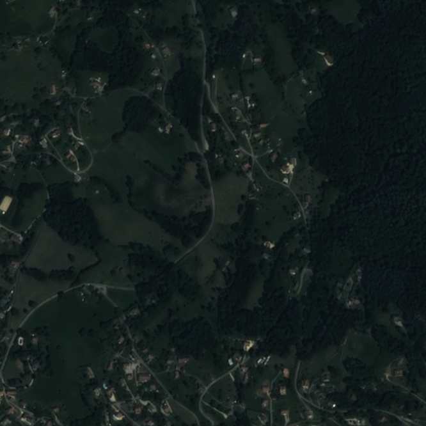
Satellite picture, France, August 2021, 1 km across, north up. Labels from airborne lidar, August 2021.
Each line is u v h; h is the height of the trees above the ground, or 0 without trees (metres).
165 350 9
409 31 20
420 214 36
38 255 0
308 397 13
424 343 12
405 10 19
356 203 22
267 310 11
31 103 0
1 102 18
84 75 0
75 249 20
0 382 0
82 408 0
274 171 0
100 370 0
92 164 0
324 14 19
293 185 0
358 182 34
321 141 30
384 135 30
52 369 7
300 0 0
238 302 18
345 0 0
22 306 0
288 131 0
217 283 0
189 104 27
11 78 0
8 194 8
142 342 7
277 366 9
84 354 0
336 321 30
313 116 22
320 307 17
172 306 0
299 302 26
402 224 29
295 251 8
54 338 0
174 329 20
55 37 0
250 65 0
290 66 0
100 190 0
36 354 16
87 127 0
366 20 25
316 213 10
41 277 25
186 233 13
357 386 16
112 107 0
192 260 0
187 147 0
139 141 0
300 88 0
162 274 14
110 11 25
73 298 0
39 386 0
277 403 0
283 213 0
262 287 0
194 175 0
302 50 21
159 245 0
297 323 26
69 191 12
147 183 0
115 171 0
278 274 11
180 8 0
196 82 25
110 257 0
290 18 18
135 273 0
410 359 25
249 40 23
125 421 7
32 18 0
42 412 7
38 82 7
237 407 0
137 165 0
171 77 0
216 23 0
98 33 0
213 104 0
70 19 8
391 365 0
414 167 33
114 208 0
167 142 0
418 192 16
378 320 0
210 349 24
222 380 0
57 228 27
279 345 25
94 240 28
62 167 0
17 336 6
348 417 21
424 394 0
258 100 12
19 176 0
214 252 0
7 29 0
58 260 0
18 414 0
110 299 0
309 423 6
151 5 10
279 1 0
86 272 8
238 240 8
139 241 0
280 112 0
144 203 0
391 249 28
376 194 28
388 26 32
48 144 9
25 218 0
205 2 23
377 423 7
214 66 21
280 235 0
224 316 24
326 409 9
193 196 0
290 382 13
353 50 21
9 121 13
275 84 8
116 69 22
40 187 11
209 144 7
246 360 0
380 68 31
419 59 26
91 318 0
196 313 0
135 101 22
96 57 27
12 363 0
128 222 0
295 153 0
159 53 0
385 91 31
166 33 10
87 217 23
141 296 23
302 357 22
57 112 6
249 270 21
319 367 0
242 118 0
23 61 0
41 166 8
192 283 27
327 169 15
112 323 12
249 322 20
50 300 0
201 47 8
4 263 9
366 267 24
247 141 0
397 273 28
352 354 0
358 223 30
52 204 13
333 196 0
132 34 24
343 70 28
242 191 0
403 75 28
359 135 22
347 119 28
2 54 6
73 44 0
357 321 27
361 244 28
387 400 21
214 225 0
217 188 0
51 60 0
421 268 29
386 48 24
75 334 0
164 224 31
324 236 16
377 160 37
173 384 0
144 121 30
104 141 0
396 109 15
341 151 25
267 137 8
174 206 0
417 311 25
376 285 27
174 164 0
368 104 33
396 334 0
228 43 31
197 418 0
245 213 6
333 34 27
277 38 0
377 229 29
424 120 33
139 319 9
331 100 25
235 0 9
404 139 9
